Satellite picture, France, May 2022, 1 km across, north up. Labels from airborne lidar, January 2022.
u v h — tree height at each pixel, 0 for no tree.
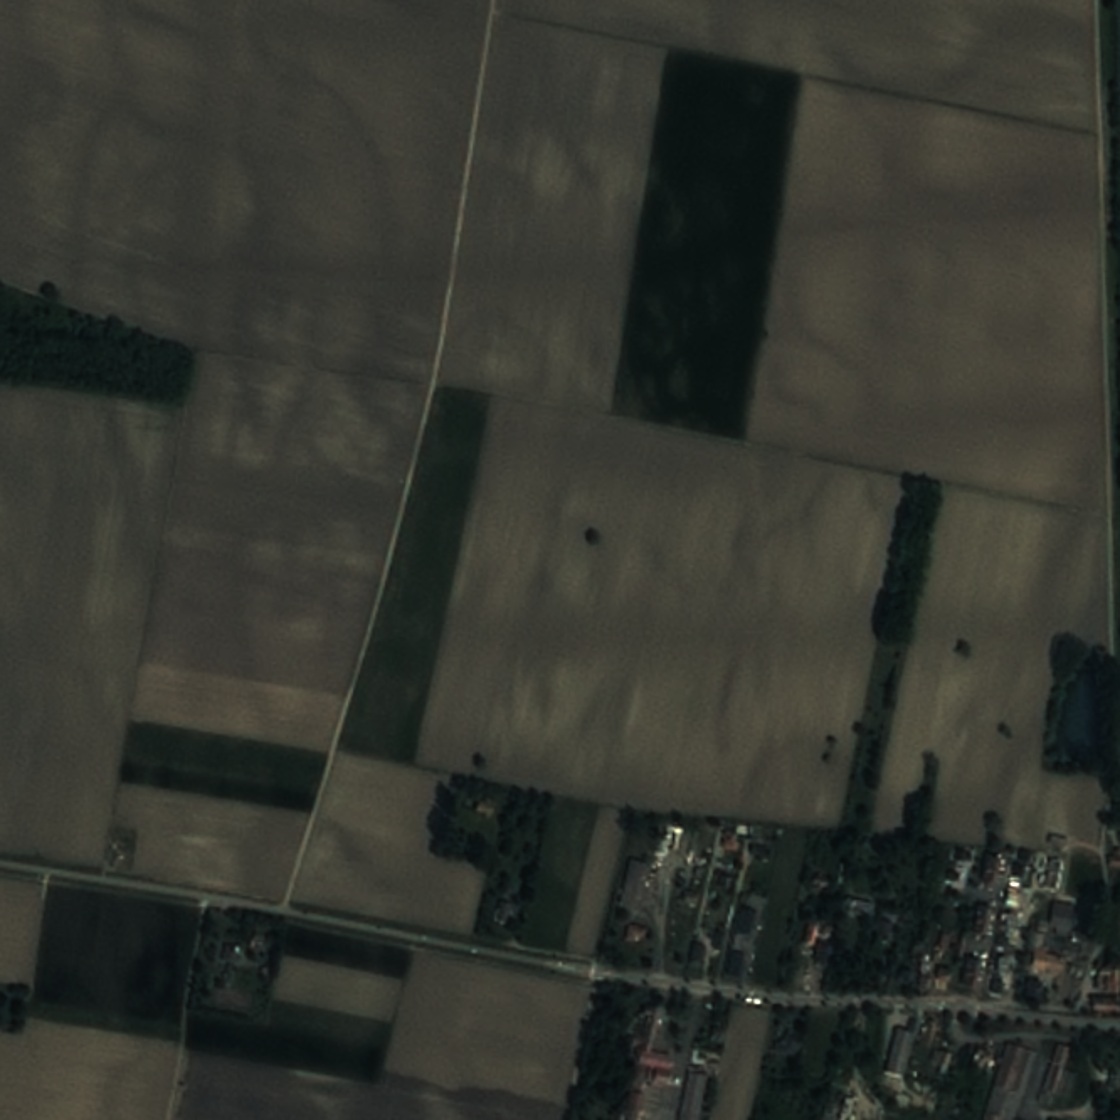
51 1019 0
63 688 0
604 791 0
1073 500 0
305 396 0
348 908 0
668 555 0
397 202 0
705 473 0
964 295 0
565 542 0
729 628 0
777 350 0
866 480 0
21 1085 0
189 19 0
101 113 0
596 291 0
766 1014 0
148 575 0
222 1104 0
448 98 0
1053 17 0
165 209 0
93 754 0
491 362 0
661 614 0
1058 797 0
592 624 0
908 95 0
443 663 0
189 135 0
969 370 0
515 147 0
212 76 0
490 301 0
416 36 0
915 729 0
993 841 13
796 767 0
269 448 0
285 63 0
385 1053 0
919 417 0
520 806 10
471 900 0
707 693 0
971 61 0
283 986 0
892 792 0
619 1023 18
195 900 0
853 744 0
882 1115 0
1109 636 0
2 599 0
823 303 0
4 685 0
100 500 0
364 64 0
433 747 0
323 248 0
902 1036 0
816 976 0
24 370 16
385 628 0
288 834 0
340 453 0
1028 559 0
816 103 0
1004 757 0
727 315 0
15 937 0
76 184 0
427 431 0
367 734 0
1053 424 0
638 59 0
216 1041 0
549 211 0
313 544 0
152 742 0
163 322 0
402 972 0
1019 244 0
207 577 0
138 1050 0
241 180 0
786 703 0
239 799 0
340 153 0
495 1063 0
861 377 0
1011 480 0
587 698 0
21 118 0
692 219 0
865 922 18
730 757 0
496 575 0
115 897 0
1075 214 0
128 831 0
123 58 0
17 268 0
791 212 0
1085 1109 0
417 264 0
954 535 0
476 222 0
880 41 0
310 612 0
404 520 0
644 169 0
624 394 0
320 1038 0
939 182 0
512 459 0
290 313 0
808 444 0
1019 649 0
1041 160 0
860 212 0
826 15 0
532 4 0
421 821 0
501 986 0
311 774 0
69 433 0
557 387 0
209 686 0
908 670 0
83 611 0
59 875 0
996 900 0
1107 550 0
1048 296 0
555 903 0
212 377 0
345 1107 0
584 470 0
